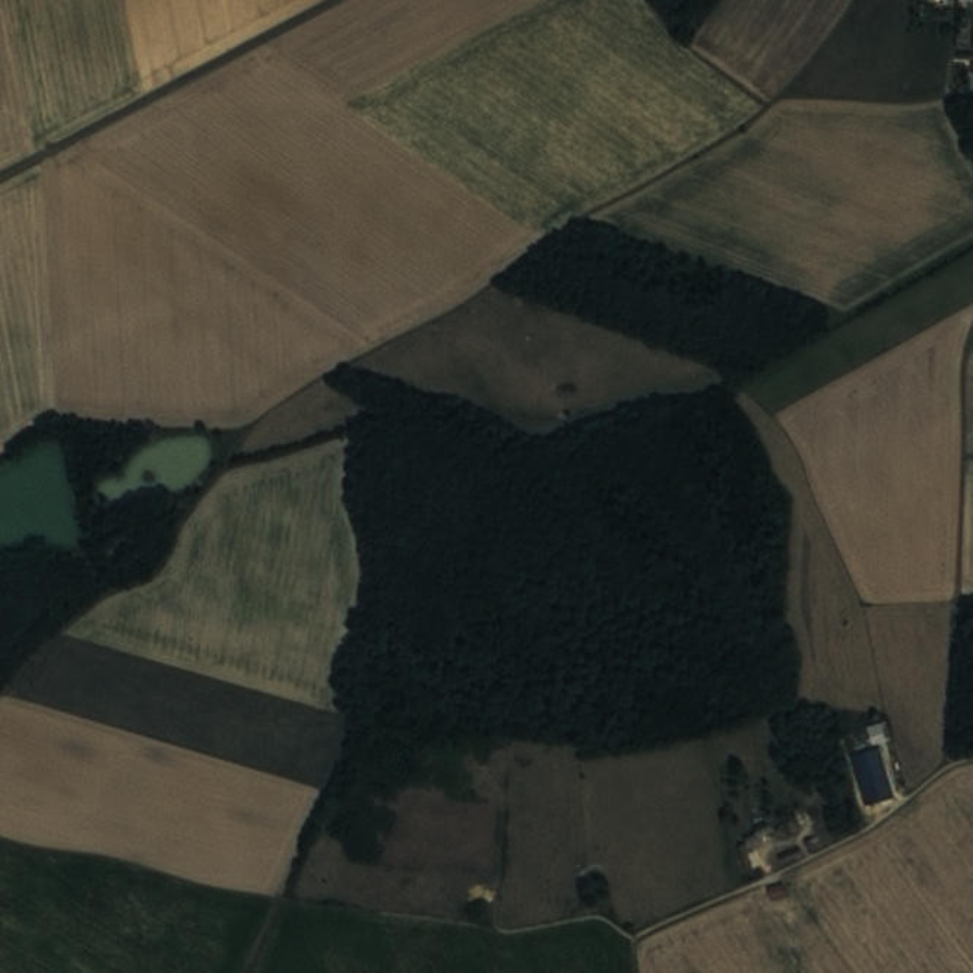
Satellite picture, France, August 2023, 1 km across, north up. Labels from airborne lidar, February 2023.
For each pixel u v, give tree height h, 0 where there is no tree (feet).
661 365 0
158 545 60
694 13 55
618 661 75
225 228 0
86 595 34
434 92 0
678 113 0
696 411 61
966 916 0
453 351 0
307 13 0
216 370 0
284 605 0
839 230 0
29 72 0
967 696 46
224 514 0
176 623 0
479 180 0
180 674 0
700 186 0
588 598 74
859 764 0
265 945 0
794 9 0
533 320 0
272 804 0
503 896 0
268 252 0
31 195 0
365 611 35
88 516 21
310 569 0
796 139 0
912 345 0
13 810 0
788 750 70
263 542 0
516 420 0
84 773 0
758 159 0
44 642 44
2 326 0
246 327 0
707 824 0
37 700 0
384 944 0
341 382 52
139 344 0
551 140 0
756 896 0
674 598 35
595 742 78
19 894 0
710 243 0
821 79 0
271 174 0
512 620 65
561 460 71
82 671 0
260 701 0
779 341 65
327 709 0
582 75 0
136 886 0
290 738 0
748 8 0
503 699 62
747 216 0
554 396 0
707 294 20
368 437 69
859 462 0
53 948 0
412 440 79
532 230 0
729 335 71
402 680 84
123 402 0
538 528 55
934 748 0
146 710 0
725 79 0
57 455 0
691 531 54
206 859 0
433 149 0
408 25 0
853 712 0
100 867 0
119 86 0
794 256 0
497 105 0
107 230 0
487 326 0
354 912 0
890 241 0
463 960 0
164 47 0
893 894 0
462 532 69
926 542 0
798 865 0
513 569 70
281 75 0
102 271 0
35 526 0
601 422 45
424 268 0
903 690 0
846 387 0
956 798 0
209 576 0
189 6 0
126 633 0
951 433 0
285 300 0
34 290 0
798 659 50
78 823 0
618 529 60
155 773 0
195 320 0
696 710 34
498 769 0
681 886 0
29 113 0
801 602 0
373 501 67
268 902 0
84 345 0
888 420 0
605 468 62
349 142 0
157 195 0
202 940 0
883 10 0
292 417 0
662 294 71
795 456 0
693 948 0
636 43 0
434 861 0
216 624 0
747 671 76
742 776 68
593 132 0
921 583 0
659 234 0
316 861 0
